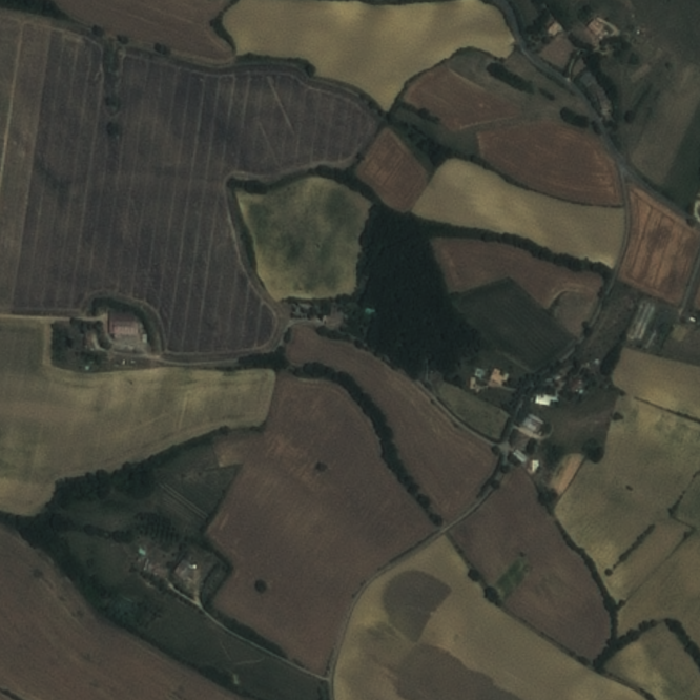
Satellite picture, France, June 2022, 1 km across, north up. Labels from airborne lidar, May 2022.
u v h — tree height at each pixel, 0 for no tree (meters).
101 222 0
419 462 0
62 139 0
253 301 0
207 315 0
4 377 0
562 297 0
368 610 0
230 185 11
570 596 0
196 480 0
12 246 0
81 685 0
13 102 0
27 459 0
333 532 0
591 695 0
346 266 0
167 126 0
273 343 0
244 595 0
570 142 0
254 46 0
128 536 13
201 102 0
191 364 0
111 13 0
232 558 0
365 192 14
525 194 0
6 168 0
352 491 0
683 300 0
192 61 0
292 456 0
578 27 0
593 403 0
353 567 0
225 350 0
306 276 0
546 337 0
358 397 16
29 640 0
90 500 7
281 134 0
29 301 0
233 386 0
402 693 0
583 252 0
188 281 0
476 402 0
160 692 0
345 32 0
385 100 0
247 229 7
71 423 0
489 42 0
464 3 0
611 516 0
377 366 0
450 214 0
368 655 0
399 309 17
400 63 0
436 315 21
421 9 0
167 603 0
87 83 0
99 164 0
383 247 8
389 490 0
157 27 0
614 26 0
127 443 0
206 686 0
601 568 0
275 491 0
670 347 0
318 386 0
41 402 0
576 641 0
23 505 0
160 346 0
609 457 0
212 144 0
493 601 12
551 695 0
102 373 0
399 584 0
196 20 0
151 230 0
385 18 0
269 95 0
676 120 0
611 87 12
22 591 0
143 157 0
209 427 0
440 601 0
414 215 11
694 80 0
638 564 0
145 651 0
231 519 0
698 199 0
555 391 16
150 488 6
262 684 0
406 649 0
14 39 0
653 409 0
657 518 0
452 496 0
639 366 0
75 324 12
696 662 8
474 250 0
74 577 6
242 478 0
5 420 0
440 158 17
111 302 8
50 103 0
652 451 0
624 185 0
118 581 0
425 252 17
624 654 0
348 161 0
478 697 0
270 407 0
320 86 0
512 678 0
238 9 0
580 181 0
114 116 0
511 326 0
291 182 0
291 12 0
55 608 0
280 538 0
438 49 0
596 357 0
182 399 0
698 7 0
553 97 6
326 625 0
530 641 0
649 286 0
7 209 0
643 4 0
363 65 0
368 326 10
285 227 0
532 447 7
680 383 0
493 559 0
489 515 0
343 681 0
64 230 0
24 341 0
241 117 0
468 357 14
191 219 0
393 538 0
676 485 0
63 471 0
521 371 0
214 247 0
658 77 0
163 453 6
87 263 0
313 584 0
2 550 0
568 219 0
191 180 0
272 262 0
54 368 0
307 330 0
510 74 8
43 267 0
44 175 0
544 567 0
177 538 7
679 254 0
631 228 0
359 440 0
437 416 0
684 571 0
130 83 0
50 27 0
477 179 0
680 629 13
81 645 0
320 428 0
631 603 0
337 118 0
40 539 14
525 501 0
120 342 0
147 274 0
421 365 12
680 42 0
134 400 0
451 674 0
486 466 0
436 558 0
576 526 0
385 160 0
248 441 0
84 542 0
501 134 0
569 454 0
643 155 0
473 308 0
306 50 0
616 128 8
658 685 0
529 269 0
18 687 0
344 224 0
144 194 0
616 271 0
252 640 5
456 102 0
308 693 0
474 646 0
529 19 0
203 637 0
